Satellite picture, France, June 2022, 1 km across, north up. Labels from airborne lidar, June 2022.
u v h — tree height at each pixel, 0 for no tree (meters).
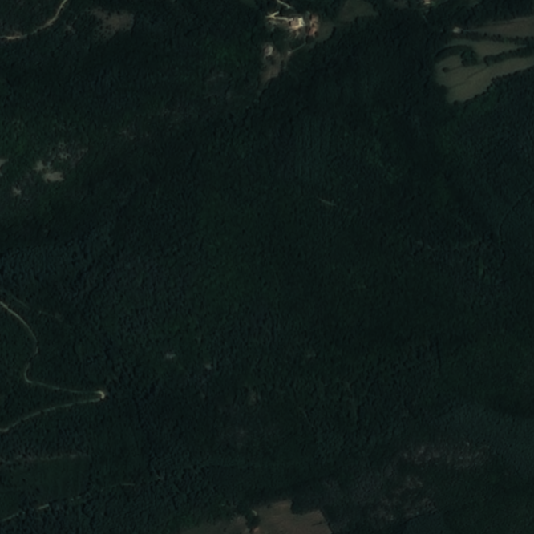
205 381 7
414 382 14
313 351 8
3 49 12
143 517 22
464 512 15
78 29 17
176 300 11
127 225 13
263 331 14
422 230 22
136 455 8
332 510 11
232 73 12
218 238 12
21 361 8
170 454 18
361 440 22
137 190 11
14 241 21
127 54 21
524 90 12
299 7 16
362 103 11
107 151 16
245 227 14
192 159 6
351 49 17
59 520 18
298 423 8
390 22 13
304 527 0
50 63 16
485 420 25
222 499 11
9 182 7
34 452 17
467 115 15
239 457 7
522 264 14
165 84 12
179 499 24
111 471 10
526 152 21
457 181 9
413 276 19
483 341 12
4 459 23
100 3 7
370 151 13
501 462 15
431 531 28
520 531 12
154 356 18
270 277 19
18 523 7
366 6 0
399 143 22
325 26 0
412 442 10
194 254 15
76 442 24
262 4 26
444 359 18
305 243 13
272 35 8
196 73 10
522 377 20
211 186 12
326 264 10
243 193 16
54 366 10
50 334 9
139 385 15
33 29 11
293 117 14
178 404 12
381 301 11
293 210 11
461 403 22
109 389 10
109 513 26
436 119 21
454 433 19
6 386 13
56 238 19
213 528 0
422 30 15
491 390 18
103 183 23
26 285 27
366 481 17
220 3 27
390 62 10
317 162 9
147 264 17
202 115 13
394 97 12
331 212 10
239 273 16
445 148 18
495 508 14
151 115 8
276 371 10
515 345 12
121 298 10
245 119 8
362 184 10
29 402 9
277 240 12
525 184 11
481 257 9
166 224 9
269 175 12
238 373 17
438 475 14
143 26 25
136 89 14
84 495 16
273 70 0
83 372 16
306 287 9
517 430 25
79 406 12
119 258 15
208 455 7
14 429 13
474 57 14
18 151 11
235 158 12
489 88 9
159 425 20
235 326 19
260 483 11
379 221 17
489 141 15
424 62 22
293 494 11
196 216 12
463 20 21
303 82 14
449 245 10
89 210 25
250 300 17
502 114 12
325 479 15
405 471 10
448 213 20
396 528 14
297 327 11
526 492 14
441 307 20
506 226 10
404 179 18
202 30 26
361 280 11
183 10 8
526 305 17
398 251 18
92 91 22
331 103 9
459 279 13
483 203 10
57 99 15
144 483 8
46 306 9
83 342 13
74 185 19
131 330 16
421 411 11
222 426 11
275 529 0
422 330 16
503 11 19
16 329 9
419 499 8
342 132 12
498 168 11
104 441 11
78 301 22
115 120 11
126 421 8
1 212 13
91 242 34
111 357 23
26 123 9
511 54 13
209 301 13
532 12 9
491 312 15
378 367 8
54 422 9
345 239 11
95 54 21
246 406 12
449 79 0
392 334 16
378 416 16
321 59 11
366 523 13
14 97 15
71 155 6
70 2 12
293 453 9
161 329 15
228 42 20
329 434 19
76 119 14
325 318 10
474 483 15
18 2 18
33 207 16
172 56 15
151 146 18
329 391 14
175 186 11
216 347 10
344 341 13
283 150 10
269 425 9
